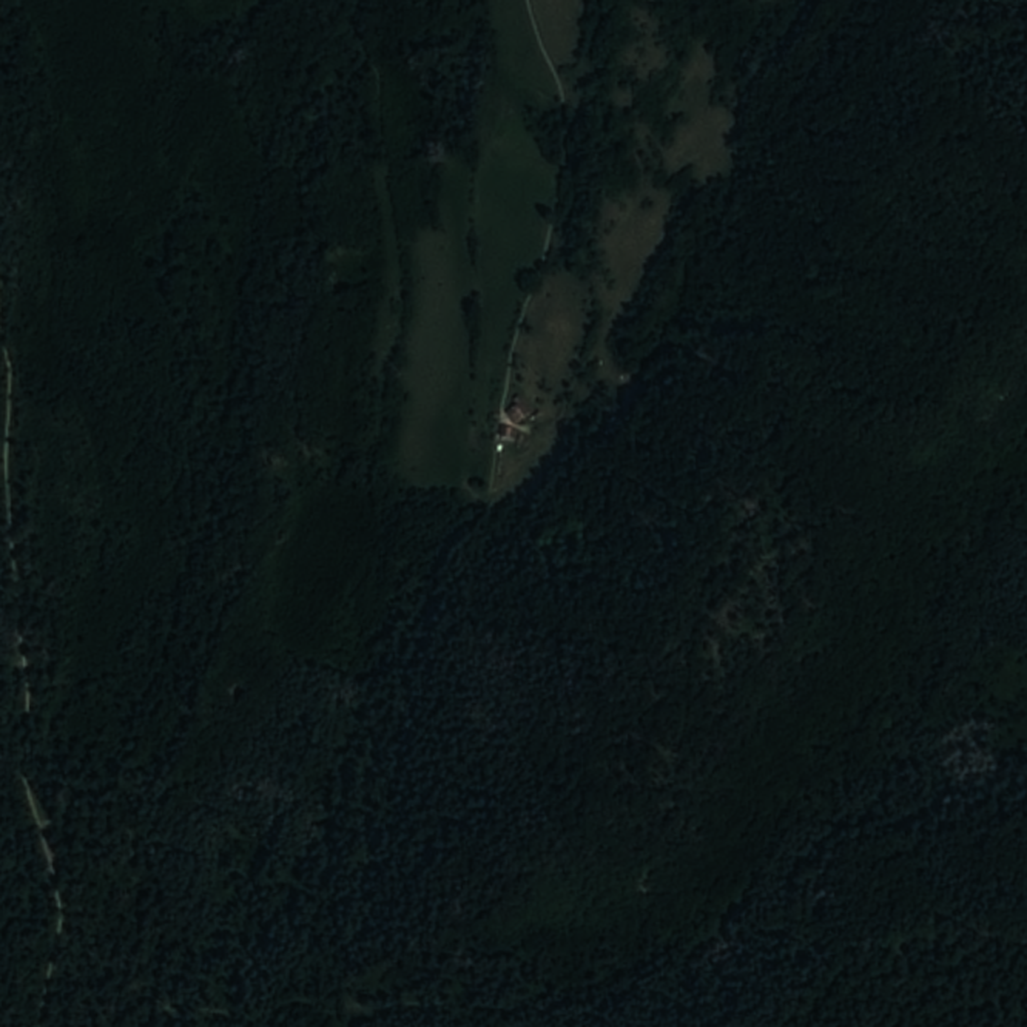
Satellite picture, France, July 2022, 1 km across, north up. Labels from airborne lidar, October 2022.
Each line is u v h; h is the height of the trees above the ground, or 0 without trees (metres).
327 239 23
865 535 20
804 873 34
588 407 9
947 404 21
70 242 12
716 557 23
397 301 7
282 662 32
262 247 13
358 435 8
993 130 29
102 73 6
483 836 28
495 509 7
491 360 0
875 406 24
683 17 11
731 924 35
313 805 33
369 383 10
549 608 28
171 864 31
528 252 0
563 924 11
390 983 8
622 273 0
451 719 24
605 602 29
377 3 11
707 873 27
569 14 0
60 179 8
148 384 8
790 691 21
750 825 23
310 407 32
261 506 22
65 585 11
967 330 11
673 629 19
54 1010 19
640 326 17
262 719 31
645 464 34
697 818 14
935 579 25
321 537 8
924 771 37
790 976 23
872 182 27
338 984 26
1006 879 31
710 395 31
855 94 24
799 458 24
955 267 17
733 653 19
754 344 31
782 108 20
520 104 0
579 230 14
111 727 7
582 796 23
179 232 12
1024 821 35
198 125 7
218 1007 31
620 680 29
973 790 30
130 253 5
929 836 35
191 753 23
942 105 31
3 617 13
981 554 21
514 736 29
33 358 11
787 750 30
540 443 0
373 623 15
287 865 31
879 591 33
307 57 24
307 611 10
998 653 7
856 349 21
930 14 18
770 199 19
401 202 7
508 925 8
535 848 23
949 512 27
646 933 23
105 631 8
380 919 21
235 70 26
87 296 7
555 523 30
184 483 15
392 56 12
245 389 9
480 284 0
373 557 12
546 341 0
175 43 22
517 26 0
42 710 19
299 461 7
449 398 0
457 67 15
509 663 23
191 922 32
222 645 23
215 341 13
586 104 9
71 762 20
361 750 8
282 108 26
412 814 34
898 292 19
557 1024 28
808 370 26
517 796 28
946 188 21
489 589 19
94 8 7
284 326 22
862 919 31
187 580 17
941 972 18
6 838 7
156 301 6
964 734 38
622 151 21
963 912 32
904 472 16
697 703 18
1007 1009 20
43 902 16
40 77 13
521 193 0
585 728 18
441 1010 30
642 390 19
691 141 0
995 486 8
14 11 18
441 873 30
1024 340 12
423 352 0
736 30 8
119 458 9
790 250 10
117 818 18
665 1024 37
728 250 24
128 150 7
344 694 33
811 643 14
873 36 33
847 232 26
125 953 29
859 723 25
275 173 12
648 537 34
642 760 23
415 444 0
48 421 9
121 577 7
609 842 16
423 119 12
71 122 6
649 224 0
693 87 0
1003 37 18
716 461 26
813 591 20
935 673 22
